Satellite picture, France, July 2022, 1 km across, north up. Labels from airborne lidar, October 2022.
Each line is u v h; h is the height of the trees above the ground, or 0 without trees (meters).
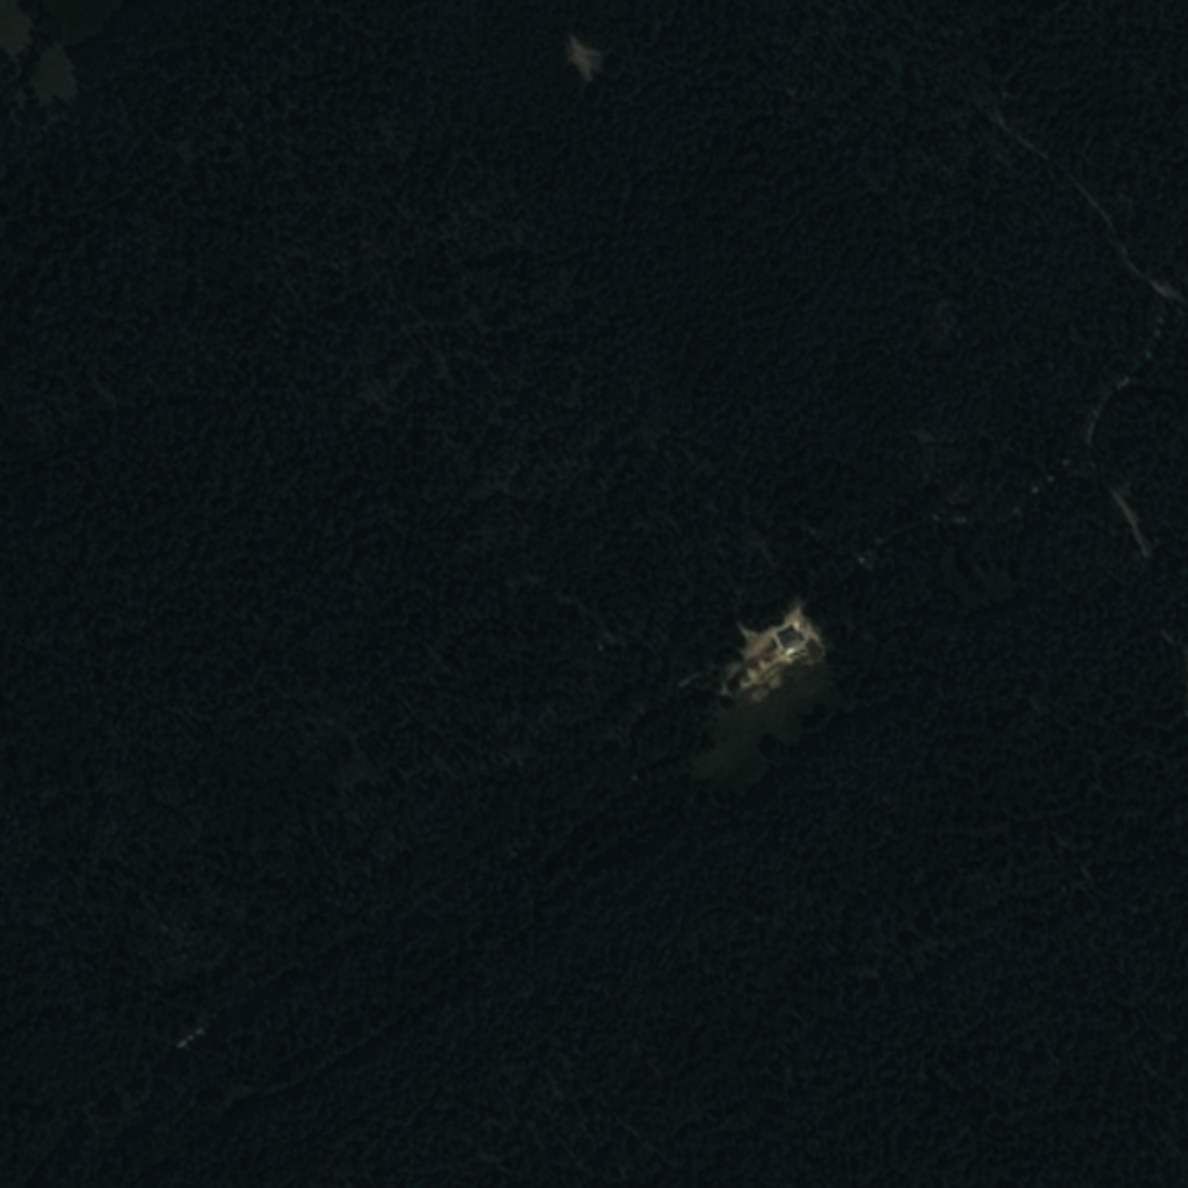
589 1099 22
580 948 18
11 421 6
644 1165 20
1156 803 13
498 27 14
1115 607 30
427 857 19
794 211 18
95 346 17
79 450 11
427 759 19
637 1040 7
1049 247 16
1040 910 9
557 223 20
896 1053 10
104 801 20
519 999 24
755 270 21
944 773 10
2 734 19
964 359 22
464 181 14
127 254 14
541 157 16
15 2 0
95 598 14
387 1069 24
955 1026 17
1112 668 12
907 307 19
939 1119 19
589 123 24
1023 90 20
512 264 12
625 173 14
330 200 17
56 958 21
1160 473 29
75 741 24
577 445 13
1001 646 18
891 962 21
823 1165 20
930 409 23
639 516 6
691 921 17
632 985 19
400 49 26
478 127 12
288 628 21
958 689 20
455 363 10
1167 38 12
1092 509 14
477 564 6
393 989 21
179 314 21
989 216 17
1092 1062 9
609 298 19
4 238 20
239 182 18
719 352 24
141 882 19
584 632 10
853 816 15
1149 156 20
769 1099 9
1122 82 18
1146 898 21
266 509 17
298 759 25
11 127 27
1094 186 13
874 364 15
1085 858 18
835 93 17
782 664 0
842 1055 17
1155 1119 20
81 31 0
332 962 31
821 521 28
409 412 13
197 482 18
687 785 19
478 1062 22
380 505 18
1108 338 28
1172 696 13
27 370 18
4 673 23
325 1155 21
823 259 27
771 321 19
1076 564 17
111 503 19
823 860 19
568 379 18
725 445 22
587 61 0
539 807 20
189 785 24
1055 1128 14
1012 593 0
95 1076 19
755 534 23
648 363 19
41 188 10
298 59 30
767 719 0
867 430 16
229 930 18
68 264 18
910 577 25
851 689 15
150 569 17
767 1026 18
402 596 5
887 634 21
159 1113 25
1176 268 9
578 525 8
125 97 30
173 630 19
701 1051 15
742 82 15
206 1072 20
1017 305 13
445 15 15
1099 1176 26
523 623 11
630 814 21
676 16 16
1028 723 10
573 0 14
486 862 9
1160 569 22
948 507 12
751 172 20
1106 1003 10
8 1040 16
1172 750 12
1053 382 31
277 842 19
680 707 15
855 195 15
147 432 18
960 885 14
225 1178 22
